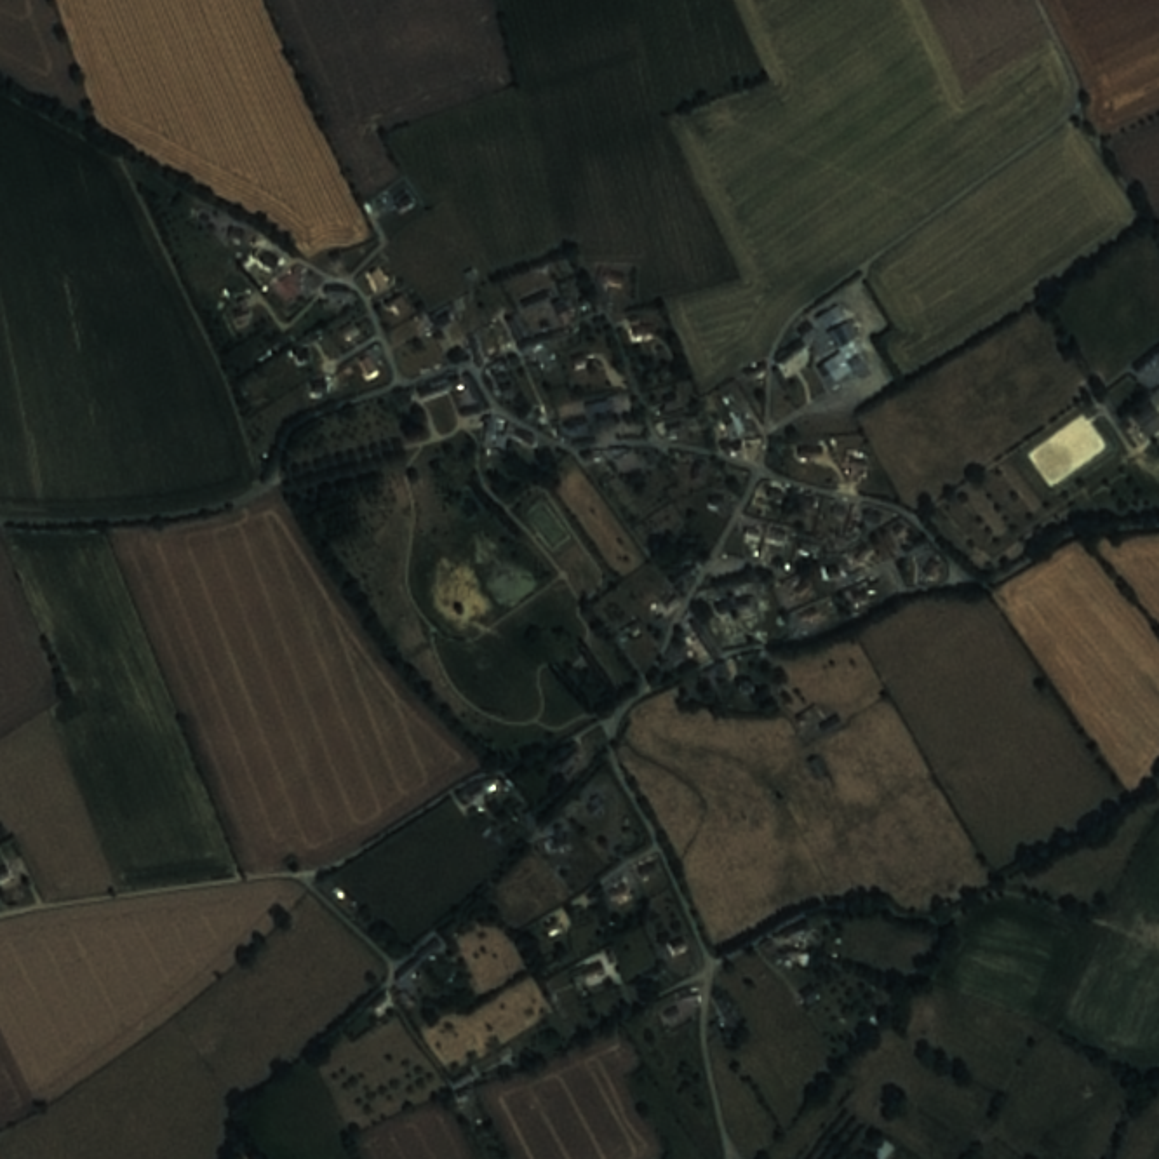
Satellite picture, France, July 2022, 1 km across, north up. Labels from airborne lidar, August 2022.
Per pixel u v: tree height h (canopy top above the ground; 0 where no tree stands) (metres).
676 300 0
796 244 0
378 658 0
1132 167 0
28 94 11
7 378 0
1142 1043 0
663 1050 0
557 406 0
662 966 9
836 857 0
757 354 0
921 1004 0
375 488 9
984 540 0
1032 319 0
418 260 0
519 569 0
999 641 0
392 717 0
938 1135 0
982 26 0
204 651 0
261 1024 0
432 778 0
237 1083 0
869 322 0
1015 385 0
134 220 0
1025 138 0
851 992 7
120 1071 0
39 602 0
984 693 0
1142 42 0
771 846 0
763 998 0
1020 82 0
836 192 0
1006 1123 0
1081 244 0
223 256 0
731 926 0
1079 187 0
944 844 0
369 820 0
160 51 0
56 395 0
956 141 0
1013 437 0
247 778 0
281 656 0
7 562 0
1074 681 0
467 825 0
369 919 6
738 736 0
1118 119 0
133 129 0
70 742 0
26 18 0
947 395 0
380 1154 0
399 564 0
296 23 0
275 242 7
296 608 0
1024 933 0
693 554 10
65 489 0
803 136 0
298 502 16
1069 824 0
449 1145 0
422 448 0
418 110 0
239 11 0
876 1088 0
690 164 0
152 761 0
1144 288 0
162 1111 0
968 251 0
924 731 0
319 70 0
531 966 14
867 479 0
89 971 0
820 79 0
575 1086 0
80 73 16
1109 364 0
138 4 0
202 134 0
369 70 0
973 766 0
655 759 0
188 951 0
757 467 0
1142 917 0
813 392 0
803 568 14
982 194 0
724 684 12
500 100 0
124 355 0
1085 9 0
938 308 0
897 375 10
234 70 0
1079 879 0
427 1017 13
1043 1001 0
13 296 0
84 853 0
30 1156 0
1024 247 0
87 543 0
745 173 0
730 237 0
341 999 0
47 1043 0
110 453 0
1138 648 0
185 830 0
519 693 0
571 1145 0
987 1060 0
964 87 0
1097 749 13
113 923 0
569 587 0
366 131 0
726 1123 0
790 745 0
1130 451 0
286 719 0
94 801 0
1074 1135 0
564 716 0
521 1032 0
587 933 0
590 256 0
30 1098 0
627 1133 0
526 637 0
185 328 0
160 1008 0
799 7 0
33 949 0
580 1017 0
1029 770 0
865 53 0
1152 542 0
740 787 0
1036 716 0
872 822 0
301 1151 0
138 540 0
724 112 0
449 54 0
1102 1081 0
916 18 0
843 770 0
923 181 0
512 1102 0
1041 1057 0
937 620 0
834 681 0
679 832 0
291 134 0
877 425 0
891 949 0
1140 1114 9
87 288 0
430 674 0
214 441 0
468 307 0
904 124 0
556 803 6
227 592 0
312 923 0
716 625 0
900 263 0
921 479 0
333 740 0
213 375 0
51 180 0
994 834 0
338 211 0
